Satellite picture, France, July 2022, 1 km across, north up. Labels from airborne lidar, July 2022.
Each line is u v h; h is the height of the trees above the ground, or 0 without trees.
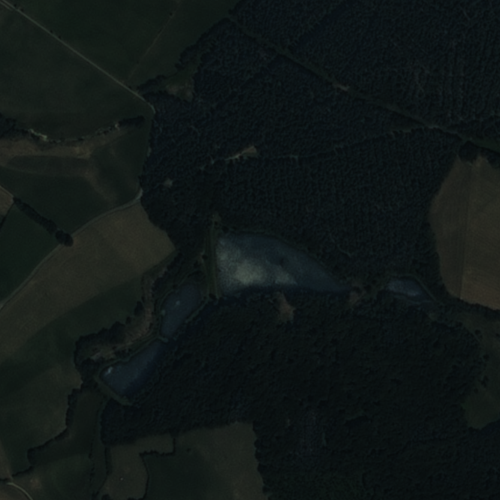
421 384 22
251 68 25
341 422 22
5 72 0
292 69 28
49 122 0
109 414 23
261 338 30
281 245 0
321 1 33
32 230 0
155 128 18
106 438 23
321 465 16
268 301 29
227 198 20
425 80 12
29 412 0
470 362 20
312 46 29
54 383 0
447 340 27
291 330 26
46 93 0
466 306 16
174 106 28
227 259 0
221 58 20
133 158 0
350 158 19
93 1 0
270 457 23
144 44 0
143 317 0
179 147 16
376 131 20
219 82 24
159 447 0
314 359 32
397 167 17
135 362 0
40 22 0
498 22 26
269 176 19
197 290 0
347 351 28
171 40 0
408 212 22
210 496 0
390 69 13
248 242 0
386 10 19
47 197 0
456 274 0
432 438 30
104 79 0
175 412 22
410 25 18
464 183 0
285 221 24
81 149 0
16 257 0
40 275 0
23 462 0
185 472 0
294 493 7
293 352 26
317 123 18
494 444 22
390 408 22
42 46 0
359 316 21
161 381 23
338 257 24
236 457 0
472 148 22
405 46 19
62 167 0
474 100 16
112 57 0
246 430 0
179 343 18
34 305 0
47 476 0
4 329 0
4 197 0
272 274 0
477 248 0
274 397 24
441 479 25
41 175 0
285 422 26
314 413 19
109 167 0
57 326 0
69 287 0
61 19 0
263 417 23
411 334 24
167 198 17
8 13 0
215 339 23
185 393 14
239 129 16
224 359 27
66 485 0
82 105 0
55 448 0
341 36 28
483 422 0
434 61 24
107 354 0
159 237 0
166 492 0
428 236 22
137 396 27
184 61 17
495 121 12
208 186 25
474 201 0
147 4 0
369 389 20
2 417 0
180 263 18
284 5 30
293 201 21
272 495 11
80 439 0
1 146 0
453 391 24
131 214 0
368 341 26
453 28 26
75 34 0
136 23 0
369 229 17
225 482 0
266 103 19
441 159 21
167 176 14
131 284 0
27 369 0
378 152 23
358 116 24
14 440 0
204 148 19
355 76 27
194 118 24
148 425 18
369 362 27
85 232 0
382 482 23
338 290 0
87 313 0
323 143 19
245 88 21
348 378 23
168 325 0
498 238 0
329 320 25
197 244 15
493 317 20
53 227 15
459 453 20
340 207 17
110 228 0
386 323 20
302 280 0
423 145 17
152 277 0
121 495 0
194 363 13
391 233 16
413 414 23
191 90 0
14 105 0
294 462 17
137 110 0
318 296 18
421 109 17
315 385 24
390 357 24
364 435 21
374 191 23
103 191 0
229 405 26
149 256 0
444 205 0
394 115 13
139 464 0
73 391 8
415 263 18
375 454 21
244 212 19
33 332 0
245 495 0
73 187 0
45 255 0
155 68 0
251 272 0
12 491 0
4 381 0
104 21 0
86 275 0
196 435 0
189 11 0
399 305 21
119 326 19
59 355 0
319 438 19
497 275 0
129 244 0
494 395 0
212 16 0
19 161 0
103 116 0
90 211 0
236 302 26
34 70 0
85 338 12
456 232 0
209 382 21
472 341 16
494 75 17
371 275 18
